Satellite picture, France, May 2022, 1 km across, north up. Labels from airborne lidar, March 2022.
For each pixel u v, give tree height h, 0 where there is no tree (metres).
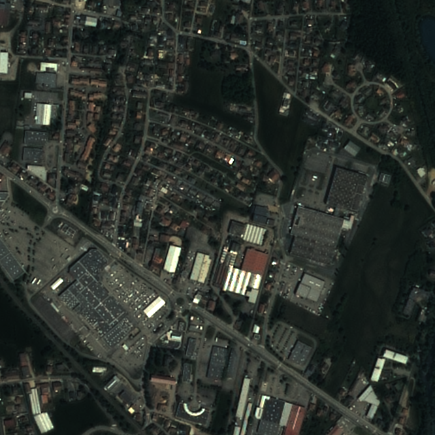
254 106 0
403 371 0
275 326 0
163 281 0
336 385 0
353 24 9
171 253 0
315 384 8
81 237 0
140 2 17
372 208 0
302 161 13
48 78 0
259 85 0
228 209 0
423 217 0
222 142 0
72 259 0
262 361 0
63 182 8
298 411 0
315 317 0
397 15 12
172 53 0
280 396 0
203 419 0
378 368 0
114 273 0
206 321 0
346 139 0
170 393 0
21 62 0
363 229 0
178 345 0
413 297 0
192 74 0
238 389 0
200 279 0
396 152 0
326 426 0
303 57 0
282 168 0
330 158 0
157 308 0
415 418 0
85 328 0
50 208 0
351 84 0
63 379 0
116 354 0
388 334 0
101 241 0
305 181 0
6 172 0
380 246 0
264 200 0
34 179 0
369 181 0
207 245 0
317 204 0
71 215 0
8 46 0
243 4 15
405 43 12
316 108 0
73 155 0
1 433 0
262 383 0
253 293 0
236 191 0
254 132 0
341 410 0
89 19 0
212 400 0
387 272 0
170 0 0
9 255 0
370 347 0
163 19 0
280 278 0
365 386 0
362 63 0
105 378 0
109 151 0
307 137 0
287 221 0
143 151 0
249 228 0
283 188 0
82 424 0
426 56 14
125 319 0
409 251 0
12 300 9
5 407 0
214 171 0
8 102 0
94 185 8
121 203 0
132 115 7
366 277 0
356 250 0
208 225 0
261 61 0
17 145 0
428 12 0
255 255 0
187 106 0
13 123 0
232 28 12
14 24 0
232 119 0
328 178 0
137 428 0
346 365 0
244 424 0
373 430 0
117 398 0
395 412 18
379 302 0
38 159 0
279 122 0
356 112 0
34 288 0
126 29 7
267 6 0
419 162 0
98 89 0
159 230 8
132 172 0
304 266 0
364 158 0
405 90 0
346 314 0
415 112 0
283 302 0
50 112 0
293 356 0
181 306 0
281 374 0
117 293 0
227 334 0
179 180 0
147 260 0
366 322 0
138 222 0
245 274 0
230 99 14
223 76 0
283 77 0
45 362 0
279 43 0
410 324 0
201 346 0
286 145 0
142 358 0
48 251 0
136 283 0
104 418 0
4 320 0
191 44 0
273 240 0
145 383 14
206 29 0
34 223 0
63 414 0
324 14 0
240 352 0
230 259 0
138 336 0
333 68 0
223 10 0
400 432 0
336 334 0
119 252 0
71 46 0
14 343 0
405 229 0
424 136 0
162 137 0
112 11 0
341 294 0
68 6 0
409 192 0
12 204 0
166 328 0
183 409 0
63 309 0
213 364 0
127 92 0
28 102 0
